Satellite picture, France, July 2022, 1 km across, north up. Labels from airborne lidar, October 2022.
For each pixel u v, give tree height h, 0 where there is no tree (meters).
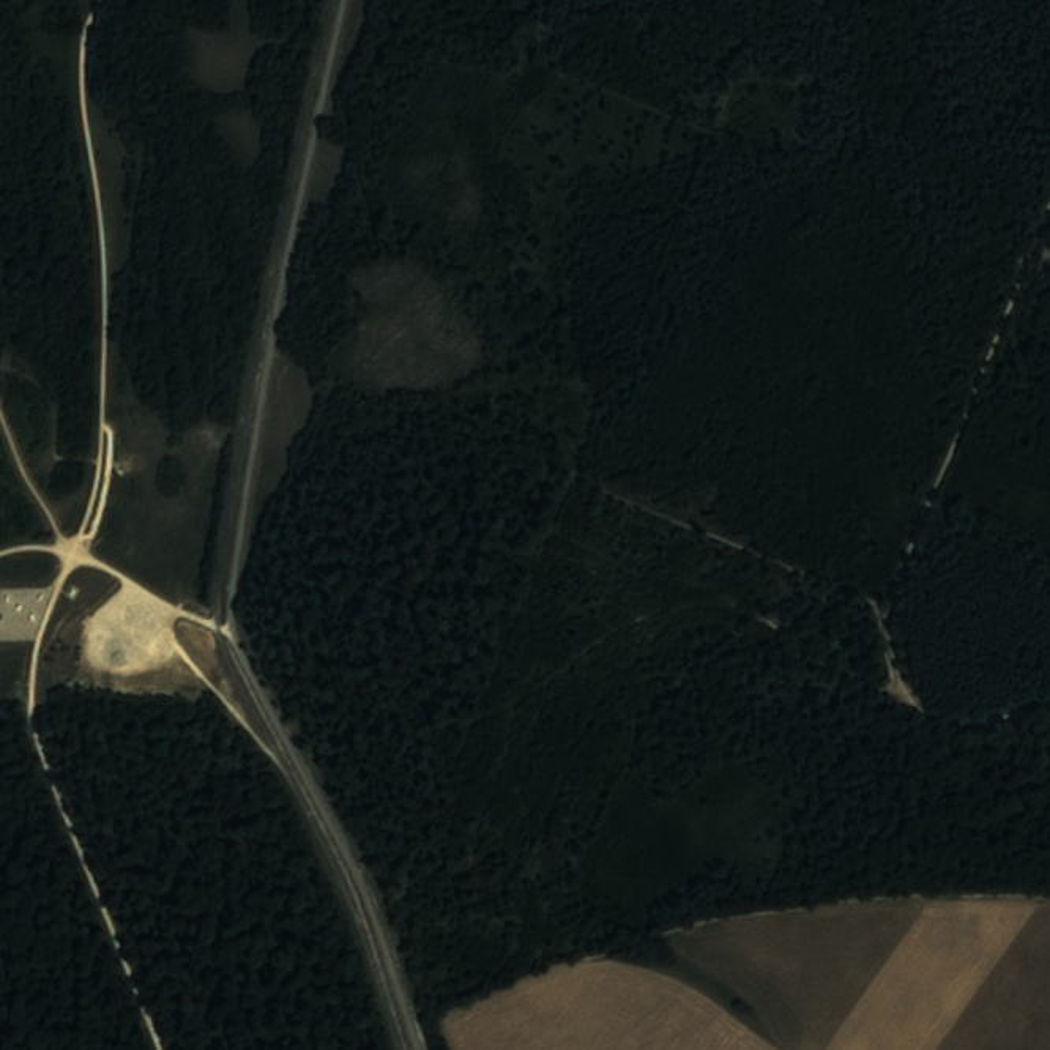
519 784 7
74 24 11
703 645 7
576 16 21
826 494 14
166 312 19
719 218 15
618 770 7
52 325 13
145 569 0
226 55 0
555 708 9
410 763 7
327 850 0
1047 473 8
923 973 0
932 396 12
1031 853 20
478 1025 0
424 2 23
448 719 33
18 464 0
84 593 0
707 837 0
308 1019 28
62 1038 28
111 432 0
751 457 17
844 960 0
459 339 0
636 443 13
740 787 0
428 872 7
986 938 0
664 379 13
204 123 15
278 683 18
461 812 9
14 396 6
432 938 7
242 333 14
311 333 15
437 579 11
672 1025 0
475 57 17
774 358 19
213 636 0
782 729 23
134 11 21
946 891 18
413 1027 0
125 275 8
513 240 25
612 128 0
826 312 12
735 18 25
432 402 19
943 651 23
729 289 18
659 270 11
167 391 6
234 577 0
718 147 24
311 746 24
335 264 21
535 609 6
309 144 0
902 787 23
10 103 22
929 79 18
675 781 28
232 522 0
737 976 0
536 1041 0
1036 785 7
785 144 20
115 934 0
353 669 30
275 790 15
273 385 0
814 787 16
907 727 18
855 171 12
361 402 16
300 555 13
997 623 21
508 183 8
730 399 16
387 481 12
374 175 22
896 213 13
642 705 8
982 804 25
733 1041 0
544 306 24
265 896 29
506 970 7
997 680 23
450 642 32
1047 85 20
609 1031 0
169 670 0
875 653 23
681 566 7
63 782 27
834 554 14
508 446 16
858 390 14
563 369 27
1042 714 30
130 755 26
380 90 20
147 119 19
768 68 16
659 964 13
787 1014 0
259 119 7
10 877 31
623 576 6
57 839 23
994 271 19
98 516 0
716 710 26
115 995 29
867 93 20
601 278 10
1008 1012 0
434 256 9
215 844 26
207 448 0
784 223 14
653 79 6
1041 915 0
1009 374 15
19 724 22
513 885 12
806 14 25
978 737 27
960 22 29
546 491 17
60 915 29
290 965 29
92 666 0
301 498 33
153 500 0
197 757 27
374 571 16
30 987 28
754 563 8
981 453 9
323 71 0
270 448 0
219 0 21
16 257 10
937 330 21
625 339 9
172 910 32
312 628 30
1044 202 25
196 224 14
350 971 23
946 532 23
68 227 10
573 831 13
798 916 0
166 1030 24
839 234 12
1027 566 16
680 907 31
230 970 34
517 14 17
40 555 0
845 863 25
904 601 29
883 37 18
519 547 34
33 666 0
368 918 0
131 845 23
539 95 5
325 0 12
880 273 14
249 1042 7
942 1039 0
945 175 18
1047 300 23
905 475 7
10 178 7
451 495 27
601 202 9
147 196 10
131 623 0
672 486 21
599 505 12
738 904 12
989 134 18
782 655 15
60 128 10
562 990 0
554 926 7
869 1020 0
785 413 13
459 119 6
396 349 0
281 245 0
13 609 0
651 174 6
